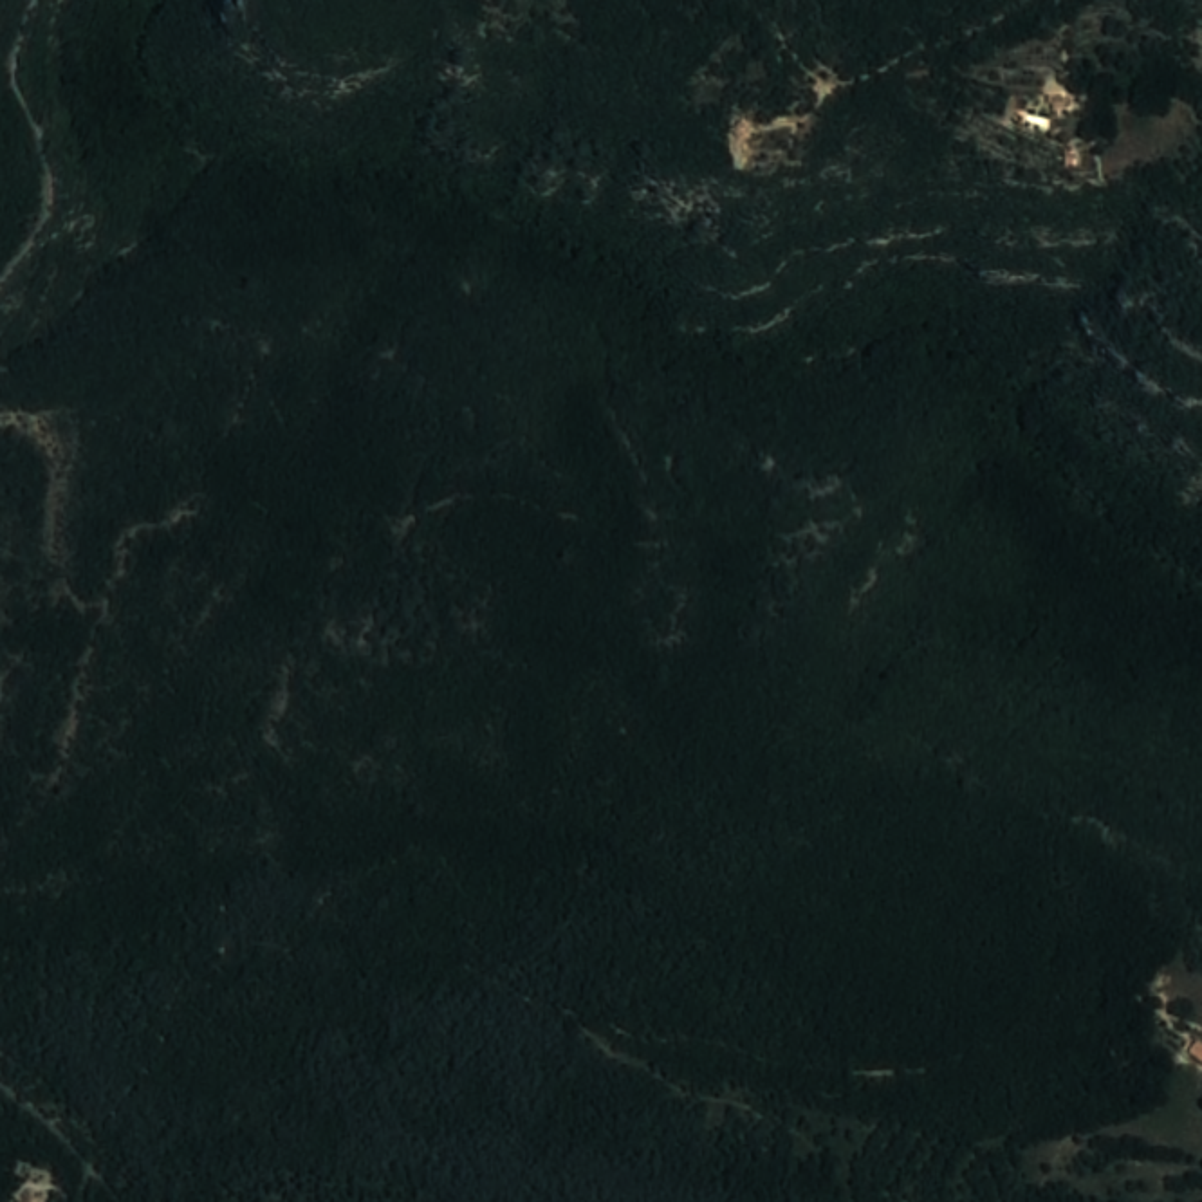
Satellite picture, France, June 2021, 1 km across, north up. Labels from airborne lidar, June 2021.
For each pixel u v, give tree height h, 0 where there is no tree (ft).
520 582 25
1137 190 63
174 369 26
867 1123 39
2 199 29
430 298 37
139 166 49
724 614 38
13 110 36
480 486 26
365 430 36
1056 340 41
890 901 41
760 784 27
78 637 19
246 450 29
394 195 62
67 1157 34
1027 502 67
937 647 59
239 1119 42
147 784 21
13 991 35
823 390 50
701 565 36
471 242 68
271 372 22
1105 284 44
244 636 24
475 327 43
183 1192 32
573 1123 30
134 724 20
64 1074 41
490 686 26
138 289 37
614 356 61
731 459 37
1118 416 21
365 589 18
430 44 20
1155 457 52
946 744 41
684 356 83
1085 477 65
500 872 38
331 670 21
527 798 25
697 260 34
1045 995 39
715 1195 51
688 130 28
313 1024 33
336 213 52
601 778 29
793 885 33
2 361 36
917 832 36
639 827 25
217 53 25
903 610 46
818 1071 36
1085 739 41
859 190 25
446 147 25
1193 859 35
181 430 32
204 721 26
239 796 23
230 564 22
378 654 31
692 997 37
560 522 27
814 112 33
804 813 31
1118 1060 32
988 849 34
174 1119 43
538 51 33
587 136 34
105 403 23
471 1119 36
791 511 30
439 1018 40
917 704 32
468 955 40
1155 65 38
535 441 30
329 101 25
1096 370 21
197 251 52
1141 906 43
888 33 17
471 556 23
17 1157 40
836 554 33
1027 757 36
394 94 42
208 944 38
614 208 43
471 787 30
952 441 37
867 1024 33
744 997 38
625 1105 27
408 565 23
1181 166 35
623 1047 35
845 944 42
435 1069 33
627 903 35
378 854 35
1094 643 47
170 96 38
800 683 25
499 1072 47
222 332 25
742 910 30
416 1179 38
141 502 25
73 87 54
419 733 22
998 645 51
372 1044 36
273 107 32
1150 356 31
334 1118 48
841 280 39
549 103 35
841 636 30
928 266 47
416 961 44
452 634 23
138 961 41
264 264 46
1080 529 61
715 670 27
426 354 33
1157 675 52
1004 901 41
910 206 30
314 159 50
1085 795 47
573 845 52
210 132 48
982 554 45
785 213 32
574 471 37
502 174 45
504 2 45
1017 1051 35
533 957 39
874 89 34
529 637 34
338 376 47
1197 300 27
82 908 33
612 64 29
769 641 25
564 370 52
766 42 28
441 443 22
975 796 26
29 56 42
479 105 36
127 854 20
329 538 31
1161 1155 49
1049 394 43
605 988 33
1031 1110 37
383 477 38
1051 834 31
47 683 24
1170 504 43
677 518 41
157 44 33
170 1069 41
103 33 73
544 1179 46
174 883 36
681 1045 30
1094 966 47
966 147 30
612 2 22
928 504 46
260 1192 53
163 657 24
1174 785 37
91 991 28
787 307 98
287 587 26
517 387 28
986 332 31
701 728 34
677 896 26
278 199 51
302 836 26
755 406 66
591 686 20
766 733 28
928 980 40
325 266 43
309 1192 30
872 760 22
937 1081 42
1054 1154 0
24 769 21
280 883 55
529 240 54
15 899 25
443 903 33
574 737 20
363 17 26
